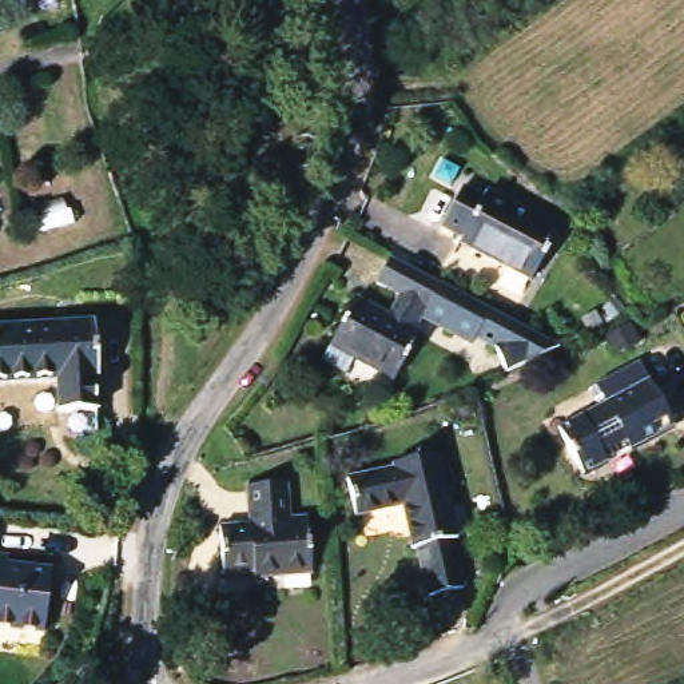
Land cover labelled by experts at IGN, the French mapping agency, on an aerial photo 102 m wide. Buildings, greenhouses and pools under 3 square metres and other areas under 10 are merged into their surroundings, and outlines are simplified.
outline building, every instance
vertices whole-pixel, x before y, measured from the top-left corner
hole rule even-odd
[[[633,347],[639,339],[649,337],[649,329],[641,329],[628,321],[617,326],[604,342],[609,342],[615,350],[625,350]]]
[[[323,561],[323,548],[331,529],[326,526],[318,508],[302,502],[299,476],[291,468],[291,462],[257,473],[246,492],[248,510],[230,516],[224,529],[227,556],[216,558],[227,569],[248,569],[257,577],[275,582],[278,574],[310,574],[321,569]]]
[[[599,385],[604,390],[604,401],[574,411],[569,422],[569,436],[580,446],[580,457],[585,462],[601,465],[615,457],[615,452],[623,444],[644,441],[647,425],[657,428],[660,417],[668,414],[668,401],[657,382],[649,379],[641,358],[609,371]]]
[[[43,222],[40,227],[67,227],[72,224],[72,216],[72,211],[64,203],[56,203],[48,208]]]
[[[516,179],[486,179],[478,174],[468,179],[449,160],[436,163],[433,182],[446,184],[449,190],[460,190],[460,200],[454,200],[446,224],[462,235],[462,240],[476,251],[476,257],[492,257],[524,275],[548,270],[569,235],[569,216],[558,206],[532,195]]]
[[[37,395],[51,395],[59,403],[72,403],[86,401],[91,393],[99,393],[99,387],[110,387],[115,393],[126,371],[131,313],[115,302],[77,305],[0,310],[0,387],[35,387]]]
[[[617,307],[609,305],[596,305],[593,313],[585,313],[582,318],[585,326],[596,326],[617,318]]]
[[[457,436],[452,428],[441,428],[430,438],[409,446],[403,454],[390,457],[393,468],[361,473],[355,481],[345,478],[345,486],[350,497],[350,510],[366,521],[377,508],[403,505],[411,532],[401,537],[414,550],[414,558],[398,561],[395,572],[387,580],[393,585],[393,607],[425,609],[425,631],[436,641],[454,628],[454,623],[462,615],[476,596],[476,561],[465,548],[465,526],[470,524],[476,508],[465,484]]]
[[[59,628],[59,623],[48,623],[51,596],[45,588],[51,585],[51,569],[35,572],[35,550],[3,545],[8,526],[0,518],[0,623],[35,625],[43,633],[48,633],[51,639],[61,639],[64,631]]]
[[[486,345],[497,345],[508,361],[521,361],[524,366],[537,355],[548,353],[556,353],[561,347],[558,334],[550,329],[545,313],[540,310],[526,305],[505,299],[494,289],[489,294],[473,294],[468,270],[444,267],[436,254],[409,251],[398,243],[385,257],[390,270],[411,278],[409,291],[387,294],[377,286],[358,286],[353,291],[350,313],[342,313],[331,345],[350,355],[358,355],[363,363],[374,366],[377,374],[395,377],[411,347],[419,350],[430,339],[436,329],[449,337],[486,339]]]

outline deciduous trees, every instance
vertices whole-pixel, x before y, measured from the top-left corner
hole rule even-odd
[[[649,492],[623,473],[596,481],[585,497],[558,494],[553,502],[532,508],[534,524],[508,526],[500,518],[484,518],[484,508],[476,508],[470,524],[465,526],[465,548],[476,561],[476,596],[462,615],[468,620],[468,628],[481,631],[489,620],[500,588],[497,580],[508,572],[521,569],[526,564],[545,566],[566,550],[585,548],[599,537],[631,534],[647,526],[655,516],[649,510]]]
[[[219,601],[214,593],[192,593],[192,588],[182,577],[176,580],[174,593],[160,596],[160,617],[155,636],[163,647],[163,660],[158,671],[168,668],[182,665],[184,671],[203,676],[206,681],[214,676],[230,679],[230,665],[224,663],[222,652],[227,647],[230,633],[235,631],[230,607]]]
[[[53,684],[110,684],[110,681],[107,681],[107,679],[102,679],[102,673],[99,673],[99,668],[96,668],[94,668],[94,671],[86,671],[86,676],[75,676],[75,673],[72,673],[72,676],[69,676],[69,679],[67,679],[67,681],[53,681]]]
[[[216,513],[203,505],[198,494],[179,500],[166,534],[168,545],[176,550],[176,556],[190,558],[192,548],[214,532],[216,518]]]
[[[361,473],[393,468],[390,457],[382,433],[363,430],[363,425],[345,425],[350,411],[339,406],[339,401],[326,398],[331,379],[339,369],[326,350],[318,342],[310,342],[305,347],[294,342],[283,353],[283,358],[278,358],[278,369],[273,374],[273,379],[281,387],[275,390],[278,406],[310,403],[321,411],[323,422],[318,428],[329,436],[329,481],[334,489],[345,486],[345,478],[355,481]]]
[[[107,13],[99,27],[102,43],[99,48],[91,48],[86,56],[83,61],[86,80],[91,80],[96,88],[107,86],[120,91],[120,99],[110,104],[107,118],[88,126],[96,134],[96,144],[102,147],[99,158],[107,160],[107,171],[112,171],[115,184],[120,190],[120,203],[131,214],[136,216],[144,238],[152,243],[152,267],[171,275],[174,297],[195,305],[214,302],[227,310],[235,294],[251,294],[262,305],[275,299],[281,286],[294,278],[315,238],[323,235],[326,227],[337,227],[350,216],[353,208],[347,208],[347,198],[353,195],[353,190],[345,182],[339,182],[339,171],[347,166],[353,139],[377,152],[379,136],[377,128],[387,123],[390,99],[403,86],[401,77],[398,67],[387,59],[387,29],[393,24],[398,0],[128,0],[134,11],[118,16]]]
[[[355,628],[358,665],[406,663],[436,641],[425,631],[425,609],[393,607],[393,585],[387,580],[371,588],[369,599],[363,601],[363,625]]]
[[[142,521],[136,510],[139,502],[134,500],[134,486],[144,478],[147,457],[139,449],[126,449],[118,444],[107,446],[110,433],[96,428],[83,430],[77,436],[67,436],[67,446],[83,454],[88,462],[86,468],[67,465],[59,473],[59,478],[64,481],[64,500],[59,502],[64,505],[64,513],[43,513],[37,526],[48,529],[48,537],[69,534],[77,542],[80,537],[126,537],[136,521]]]
[[[663,224],[671,211],[684,206],[684,131],[668,136],[660,147],[652,147],[641,158],[631,158],[625,166],[625,182],[641,190],[633,206],[641,211],[647,224]]]

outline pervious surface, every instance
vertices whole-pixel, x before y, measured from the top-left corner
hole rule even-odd
[[[0,72],[5,72],[16,59],[35,59],[40,64],[61,67],[83,61],[86,56],[83,45],[75,40],[69,45],[51,45],[37,51],[24,40],[21,37],[16,32],[0,32]]]
[[[572,620],[684,558],[684,537],[588,590],[561,596],[553,604],[545,604],[545,596],[534,596],[534,601],[524,607],[524,623],[534,633],[542,633],[558,623]]]
[[[668,414],[660,417],[657,428],[647,425],[644,441],[623,444],[615,452],[615,457],[601,465],[585,462],[580,457],[580,446],[569,436],[569,422],[574,411],[604,401],[604,390],[599,385],[590,385],[588,390],[561,401],[556,411],[545,417],[545,430],[561,441],[572,468],[582,478],[596,481],[623,473],[633,465],[631,457],[636,452],[649,452],[657,441],[684,436],[684,353],[647,353],[641,358],[649,379],[657,382],[668,401]]]
[[[107,171],[107,160],[99,158],[80,174],[59,174],[43,182],[45,195],[77,195],[83,200],[86,214],[72,216],[72,224],[67,227],[40,227],[32,243],[16,243],[0,227],[0,273],[107,238],[112,219],[107,200],[112,195],[104,184]]]
[[[110,433],[123,419],[136,417],[136,411],[131,409],[134,374],[126,371],[115,393],[110,387],[99,387],[99,393],[91,393],[86,401],[72,403],[59,403],[51,395],[37,395],[35,387],[0,387],[0,430],[8,430],[11,425],[40,425],[45,438],[59,449],[61,460],[67,465],[86,468],[88,462],[83,454],[67,446],[67,436],[77,436],[83,430],[96,428]]]

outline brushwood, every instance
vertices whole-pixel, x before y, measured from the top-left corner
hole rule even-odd
[[[45,438],[21,438],[24,452],[19,457],[19,473],[27,476],[35,465],[56,465],[61,460],[59,449]]]
[[[240,438],[254,454],[262,454],[262,436],[246,422],[259,409],[259,403],[267,403],[273,409],[278,406],[275,390],[281,387],[273,379],[273,374],[265,371],[257,361],[248,369],[248,387],[240,390],[222,414],[232,419],[235,438]]]
[[[524,366],[521,371],[486,369],[478,374],[473,379],[473,393],[484,414],[486,444],[497,478],[497,500],[489,508],[484,508],[484,518],[500,518],[508,526],[534,524],[532,508],[518,510],[513,505],[508,478],[521,476],[537,481],[542,478],[542,473],[534,470],[532,452],[526,446],[513,452],[510,460],[502,462],[492,403],[505,393],[553,393],[558,385],[564,385],[572,374],[561,369],[548,353],[537,355]]]
[[[120,582],[123,561],[112,558],[102,566],[83,572],[83,577],[75,582],[77,599],[72,609],[72,625],[69,631],[64,631],[61,639],[51,639],[48,633],[43,633],[40,649],[48,655],[48,665],[37,684],[53,684],[53,681],[67,681],[67,679],[69,679],[69,676],[72,676],[72,673],[75,673],[75,676],[86,676],[86,671],[94,671],[94,668],[96,668],[94,644],[99,631],[126,617]]]
[[[0,510],[0,518],[8,526],[37,526],[43,513]]]
[[[529,21],[542,16],[558,0],[398,0],[393,24],[387,29],[387,59],[398,67],[401,77],[428,77],[441,75],[452,67],[468,67],[486,59],[502,40],[508,40],[513,32],[521,32]]]
[[[339,369],[331,379],[326,398],[339,401],[339,406],[350,411],[382,409],[387,398],[409,395],[409,409],[419,411],[425,406],[428,387],[414,385],[409,379],[409,369],[417,361],[419,350],[411,347],[395,377],[377,374],[374,379],[347,379]]]
[[[51,86],[61,77],[61,67],[40,64],[35,59],[16,59],[5,72],[0,72],[0,227],[16,243],[32,243],[40,227],[43,222],[35,214],[24,211],[21,195],[45,195],[43,182],[59,174],[80,174],[99,158],[102,147],[96,144],[96,134],[88,126],[77,131],[67,144],[43,144],[32,158],[21,158],[19,152],[16,136],[27,123],[32,123],[43,112]]]
[[[494,270],[468,270],[473,294],[489,294],[494,289],[500,275]]]
[[[561,596],[588,590],[684,537],[684,524],[588,577],[572,577],[556,585],[545,596],[545,604],[553,604]]]
[[[537,184],[548,184],[545,198],[558,198],[558,206],[569,216],[569,235],[574,240],[599,240],[609,257],[617,257],[620,246],[612,227],[615,216],[625,206],[625,182],[625,166],[631,158],[641,158],[652,147],[660,147],[668,136],[684,131],[684,104],[679,104],[668,118],[655,123],[633,142],[628,142],[623,150],[607,155],[599,166],[590,168],[588,176],[569,182],[558,179],[553,171],[534,166],[516,142],[494,139],[481,126],[468,99],[457,102],[460,112],[465,115],[465,123],[457,134],[446,131],[446,115],[438,107],[422,110],[419,104],[403,104],[401,120],[395,126],[398,139],[379,136],[377,152],[377,160],[358,176],[361,182],[369,182],[369,198],[385,200],[401,192],[406,168],[419,155],[433,155],[433,147],[441,142],[446,147],[446,155],[457,155],[462,160],[468,158],[468,150],[478,144],[489,147],[492,152],[505,152],[510,160],[516,160],[516,166],[524,174],[529,174],[529,179],[534,179]]]
[[[329,676],[345,676],[358,665],[355,628],[350,607],[347,556],[347,545],[353,542],[361,532],[350,524],[339,524],[337,529],[331,529],[323,548],[323,561],[334,569],[339,566],[342,588],[342,631],[334,631],[334,655],[326,657],[329,663],[318,663],[299,671],[283,671],[251,681],[230,679],[214,676],[206,681],[203,676],[184,671],[182,665],[168,668],[168,676],[176,684],[310,684]]]
[[[342,313],[350,313],[353,291],[342,281],[345,273],[329,259],[323,259],[313,273],[291,321],[286,323],[283,337],[275,342],[278,358],[283,358],[283,353],[294,342],[305,347],[310,342],[318,342],[326,350],[331,345]]]
[[[69,45],[75,40],[75,29],[64,27],[24,40],[37,51],[51,45]]]
[[[227,310],[214,302],[195,305],[174,297],[171,275],[152,267],[152,243],[144,238],[136,216],[131,214],[128,232],[115,232],[107,238],[0,273],[0,281],[24,281],[24,275],[32,270],[43,270],[67,262],[69,257],[131,240],[131,257],[120,270],[115,270],[112,291],[77,291],[77,305],[115,302],[131,313],[126,371],[134,374],[131,409],[136,411],[136,417],[158,414],[152,401],[152,345],[163,334],[176,334],[190,350],[203,350],[222,337],[235,339],[240,337],[240,331],[238,326],[230,326]]]
[[[342,238],[353,238],[358,246],[385,257],[398,243],[382,235],[379,227],[369,224],[369,211],[353,208],[350,216],[337,227]]]
[[[582,633],[572,620],[558,623],[542,633],[534,633],[489,655],[489,671],[502,684],[540,684],[540,673],[534,668],[553,660],[556,641],[561,639],[572,644]]]
[[[0,0],[0,32],[16,32],[21,37],[24,27],[51,19],[48,11],[40,8],[40,0]]]
[[[585,326],[582,318],[577,318],[564,302],[542,305],[540,310],[545,313],[550,329],[558,334],[561,347],[580,361],[582,353],[604,342],[617,326],[628,321],[641,329],[649,329],[649,337],[652,342],[663,342],[673,331],[684,331],[684,299],[676,305],[673,299],[657,305],[625,302],[615,270],[601,267],[593,257],[582,257],[577,267],[599,289],[609,294],[609,305],[617,307],[617,318],[596,326]]]

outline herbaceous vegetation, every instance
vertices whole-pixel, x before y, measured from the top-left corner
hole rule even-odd
[[[401,537],[393,532],[382,532],[374,534],[371,542],[363,548],[355,548],[353,542],[347,545],[347,556],[350,607],[355,628],[363,625],[363,601],[369,599],[371,588],[387,580],[395,572],[398,561],[414,558],[414,550]]]
[[[318,663],[329,663],[326,657],[334,655],[334,631],[342,631],[342,588],[339,566],[334,569],[323,561],[321,569],[310,574],[310,588],[278,588],[275,582],[257,577],[248,569],[227,569],[216,558],[208,569],[192,569],[190,558],[176,556],[176,550],[168,545],[163,558],[160,596],[174,593],[176,580],[182,577],[192,588],[192,593],[214,593],[219,601],[230,607],[235,631],[230,633],[227,647],[222,652],[224,663],[230,665],[230,679],[251,681],[283,671],[299,671]]]
[[[235,339],[222,337],[203,350],[190,350],[176,334],[163,334],[152,345],[152,401],[158,414],[163,422],[176,425],[187,406],[195,401],[195,395],[203,390],[206,379],[222,363],[227,350],[235,345]]]
[[[561,441],[545,430],[545,417],[556,411],[561,401],[588,390],[590,385],[599,385],[609,371],[641,358],[647,353],[684,353],[684,331],[673,331],[663,342],[652,342],[649,337],[639,339],[633,347],[625,350],[615,350],[609,342],[604,342],[582,353],[580,361],[561,347],[556,353],[548,353],[561,369],[572,374],[564,385],[558,385],[553,393],[505,393],[492,403],[502,462],[510,460],[513,452],[526,446],[532,452],[534,470],[542,473],[542,478],[537,481],[521,476],[508,478],[513,505],[518,510],[532,508],[553,502],[558,494],[585,497],[596,481],[582,478],[572,468]]]
[[[69,257],[67,262],[43,270],[32,270],[24,275],[24,281],[0,281],[0,310],[77,305],[77,291],[112,291],[115,270],[120,270],[131,257],[131,240]]]
[[[51,86],[43,112],[32,123],[27,123],[16,136],[19,152],[21,158],[32,158],[43,144],[67,144],[77,131],[88,126],[107,118],[110,104],[120,99],[120,91],[107,86],[96,88],[91,80],[86,80],[83,61],[61,67],[61,77]]]
[[[240,331],[262,305],[251,294],[235,294],[227,310],[230,326],[238,326]]]
[[[673,489],[684,486],[684,436],[657,441],[649,452],[636,452],[631,457],[633,465],[623,473],[649,492],[649,510],[655,516],[668,508]]]
[[[267,403],[259,403],[259,409],[246,422],[262,436],[262,454],[254,454],[240,438],[235,438],[232,419],[222,414],[200,446],[200,462],[222,489],[246,492],[257,473],[291,462],[291,468],[299,476],[302,502],[318,508],[326,526],[331,529],[337,529],[339,524],[350,524],[361,532],[366,521],[350,510],[350,497],[345,486],[334,489],[329,481],[329,436],[318,428],[323,422],[321,411],[310,403],[278,406],[273,409]]]
[[[436,163],[449,160],[468,179],[478,174],[486,179],[516,179],[532,195],[558,206],[558,198],[545,198],[548,184],[537,184],[534,179],[529,179],[529,174],[524,174],[516,166],[516,160],[510,160],[505,152],[492,152],[489,147],[478,144],[468,150],[468,158],[462,160],[457,155],[446,155],[446,147],[441,142],[433,147],[433,155],[419,155],[406,168],[401,192],[385,200],[390,208],[401,214],[422,211],[430,192],[441,192],[454,200],[460,200],[460,190],[449,190],[446,184],[433,182]]]
[[[0,684],[37,684],[48,665],[48,655],[40,649],[32,657],[0,652]]]
[[[107,200],[112,219],[107,238],[115,232],[128,232],[131,214],[120,203],[120,190],[115,184],[112,171],[107,171],[104,184],[112,195]]]
[[[24,27],[21,37],[24,40],[64,27],[75,29],[75,40],[83,45],[86,56],[91,48],[99,48],[102,43],[99,27],[107,13],[118,16],[134,11],[128,0],[40,0],[40,8],[48,11],[51,19]]]
[[[72,216],[86,214],[83,200],[77,195],[45,195],[21,195],[24,211],[35,214],[43,222],[48,208],[56,203],[64,203],[72,211]]]
[[[403,104],[419,104],[422,110],[438,107],[446,115],[446,131],[457,134],[465,123],[465,115],[460,112],[457,102],[468,99],[468,67],[452,67],[441,75],[428,77],[401,77],[403,86],[390,99],[387,123],[377,128],[379,136],[398,139],[395,126],[401,120]]]
[[[8,430],[0,430],[0,510],[43,513],[64,513],[64,505],[59,502],[64,500],[64,481],[59,478],[59,473],[67,465],[61,460],[56,465],[35,465],[27,476],[19,473],[19,457],[24,452],[21,438],[45,438],[40,425],[11,425]]]
[[[430,438],[441,428],[452,428],[457,436],[465,484],[476,508],[484,508],[489,508],[497,500],[497,478],[486,444],[484,414],[473,393],[473,379],[478,374],[470,371],[465,355],[444,350],[430,339],[419,350],[417,361],[409,369],[409,379],[414,385],[428,387],[425,406],[419,411],[409,409],[409,395],[387,398],[382,409],[350,411],[345,425],[363,425],[363,430],[382,433],[390,457],[403,454],[409,446]]]
[[[609,305],[609,294],[599,289],[577,267],[582,257],[593,257],[601,267],[615,270],[625,302],[657,305],[673,299],[676,305],[684,299],[684,206],[671,211],[663,224],[647,224],[641,211],[633,206],[641,190],[625,182],[625,206],[615,216],[612,227],[620,246],[617,257],[609,257],[599,240],[574,240],[569,235],[548,270],[545,283],[526,305],[540,310],[542,305],[564,302],[577,318],[582,318],[585,313],[593,313],[596,305]]]

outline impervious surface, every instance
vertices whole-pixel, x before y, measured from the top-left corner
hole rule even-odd
[[[655,516],[647,526],[631,534],[599,537],[585,548],[566,550],[545,566],[526,564],[521,569],[508,572],[497,580],[500,588],[489,620],[481,631],[468,628],[468,620],[462,615],[454,623],[454,628],[436,641],[406,663],[358,665],[345,676],[329,676],[310,684],[502,684],[489,671],[489,655],[534,633],[524,623],[524,607],[534,601],[534,596],[545,596],[556,585],[572,577],[588,577],[684,524],[684,486],[673,489],[668,508]]]
[[[508,361],[497,345],[486,345],[486,339],[449,337],[436,329],[430,339],[444,350],[465,355],[470,371],[478,374],[486,369],[521,371],[524,366],[521,361]]]
[[[350,355],[331,345],[326,350],[339,369],[347,379],[374,379],[377,374],[374,366],[363,363],[358,355]]]
[[[361,532],[353,542],[355,548],[363,548],[371,542],[374,534],[382,532],[393,532],[401,537],[411,532],[403,505],[377,508],[366,521]]]
[[[43,633],[35,625],[0,623],[0,652],[32,657],[40,649]]]
[[[310,574],[278,574],[275,582],[278,588],[310,588]]]
[[[120,582],[126,617],[99,631],[94,644],[96,668],[99,668],[99,673],[102,673],[102,679],[107,679],[107,681],[110,681],[110,684],[176,684],[168,676],[168,668],[158,671],[163,660],[163,647],[155,636],[160,617],[160,596],[163,558],[168,545],[166,534],[179,500],[198,494],[203,505],[216,513],[216,518],[214,532],[192,548],[190,558],[192,569],[208,569],[216,558],[227,556],[224,529],[230,516],[248,510],[246,492],[222,489],[200,462],[200,446],[222,414],[240,390],[248,387],[248,369],[257,361],[265,371],[273,374],[278,369],[278,358],[275,342],[283,337],[286,323],[291,321],[313,273],[323,259],[329,259],[345,273],[342,281],[353,291],[358,286],[377,286],[387,294],[409,291],[411,278],[390,270],[385,257],[358,246],[353,238],[342,238],[337,227],[326,227],[323,235],[315,238],[294,278],[281,286],[275,299],[262,305],[240,331],[240,337],[235,339],[235,345],[227,350],[222,363],[206,379],[203,390],[195,395],[195,401],[187,406],[176,425],[163,422],[158,414],[136,417],[123,419],[110,433],[107,446],[118,444],[126,449],[139,449],[147,457],[144,478],[134,486],[134,500],[139,502],[136,510],[142,521],[136,521],[126,537],[80,537],[77,542],[69,534],[48,537],[48,529],[37,526],[8,526],[3,545],[35,550],[35,572],[51,569],[51,585],[45,588],[51,596],[48,623],[59,623],[59,628],[64,631],[69,631],[72,625],[72,609],[77,599],[75,582],[83,577],[83,572],[102,566],[112,558],[123,561]]]
[[[446,224],[454,200],[441,192],[430,192],[422,211],[401,214],[390,208],[385,200],[369,198],[369,182],[361,182],[358,176],[377,160],[377,152],[353,139],[347,166],[339,171],[339,182],[345,182],[353,190],[353,195],[347,198],[347,208],[353,208],[369,211],[369,224],[379,227],[382,235],[398,243],[409,251],[436,254],[444,267],[468,270],[494,270],[500,275],[494,289],[505,299],[526,305],[545,283],[548,270],[524,275],[492,257],[476,257],[476,251],[462,240],[462,235]]]

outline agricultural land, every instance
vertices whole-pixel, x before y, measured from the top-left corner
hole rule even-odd
[[[494,139],[516,142],[534,166],[553,171],[558,179],[569,182],[588,176],[590,168],[599,166],[607,155],[623,150],[628,142],[633,142],[655,123],[668,118],[679,104],[684,104],[684,0],[558,0],[542,16],[529,21],[521,32],[513,32],[508,40],[502,40],[486,59],[468,67],[468,99],[481,126]]]
[[[684,558],[572,620],[582,633],[572,644],[561,639],[556,641],[553,660],[534,668],[540,673],[540,684],[684,684]]]

